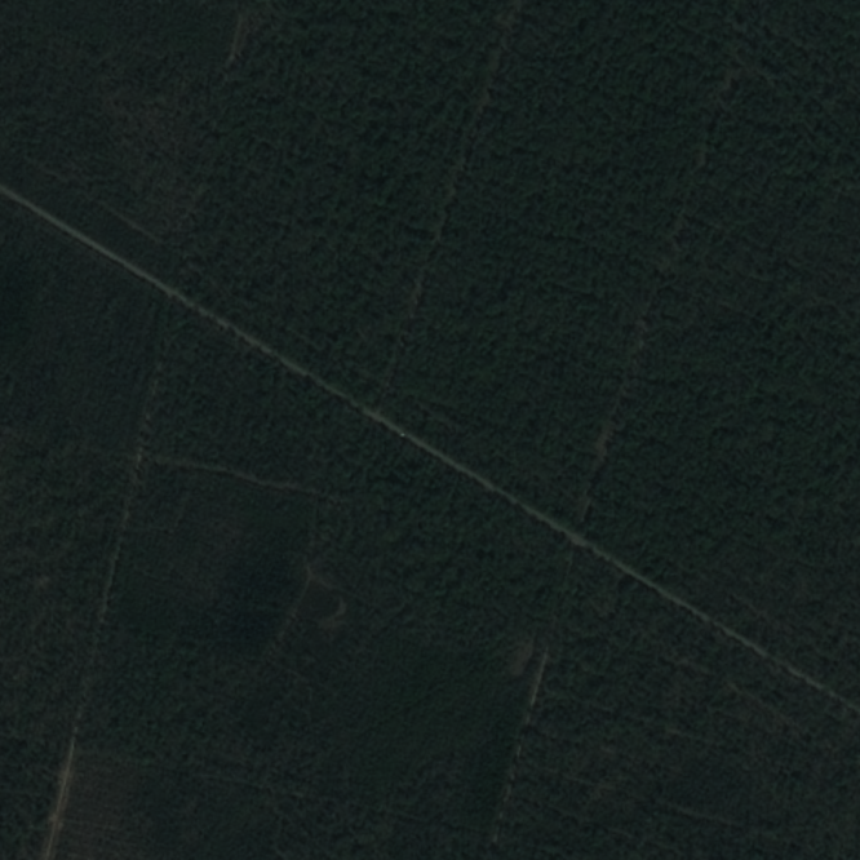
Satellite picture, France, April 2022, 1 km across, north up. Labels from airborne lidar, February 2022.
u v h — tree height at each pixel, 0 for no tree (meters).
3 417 7
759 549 17
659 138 17
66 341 13
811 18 20
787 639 15
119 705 16
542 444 18
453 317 19
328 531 17
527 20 12
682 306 16
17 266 12
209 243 14
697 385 19
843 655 14
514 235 20
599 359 13
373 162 19
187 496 13
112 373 7
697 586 14
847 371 16
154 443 14
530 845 15
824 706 21
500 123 17
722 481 17
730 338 18
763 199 16
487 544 20
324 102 16
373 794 9
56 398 8
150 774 7
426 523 20
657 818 15
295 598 11
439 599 19
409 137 19
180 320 17
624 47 17
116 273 8
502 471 15
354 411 19
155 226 8
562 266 20
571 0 15
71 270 7
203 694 18
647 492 20
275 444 11
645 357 17
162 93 14
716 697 13
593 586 16
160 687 13
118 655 13
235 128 14
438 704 10
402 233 17
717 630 18
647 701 6
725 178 19
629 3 18
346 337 14
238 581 11
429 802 10
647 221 16
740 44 18
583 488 12
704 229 15
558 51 12
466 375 16
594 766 14
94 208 11
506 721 13
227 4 11
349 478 19
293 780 14
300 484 9
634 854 14
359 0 20
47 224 8
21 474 14
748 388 20
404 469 17
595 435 16
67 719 11
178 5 10
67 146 10
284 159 12
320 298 16
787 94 21
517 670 0
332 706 6
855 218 15
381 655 9
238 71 15
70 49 12
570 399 19
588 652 19
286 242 13
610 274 17
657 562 19
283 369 17
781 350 14
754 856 19
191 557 8
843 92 19
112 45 10
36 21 13
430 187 21
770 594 13
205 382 17
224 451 11
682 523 16
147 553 7
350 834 19
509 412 18
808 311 17
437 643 13
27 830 19
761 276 14
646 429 16
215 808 11
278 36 16
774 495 19
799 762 10
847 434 15
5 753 11
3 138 11
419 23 16
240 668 16
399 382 16
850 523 15
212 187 15
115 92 10
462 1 17
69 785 0
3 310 13
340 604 0
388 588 16
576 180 15
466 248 17
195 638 14
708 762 9
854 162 20
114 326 9
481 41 20
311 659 15
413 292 18
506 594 18
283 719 9
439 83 22
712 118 16
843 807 20
